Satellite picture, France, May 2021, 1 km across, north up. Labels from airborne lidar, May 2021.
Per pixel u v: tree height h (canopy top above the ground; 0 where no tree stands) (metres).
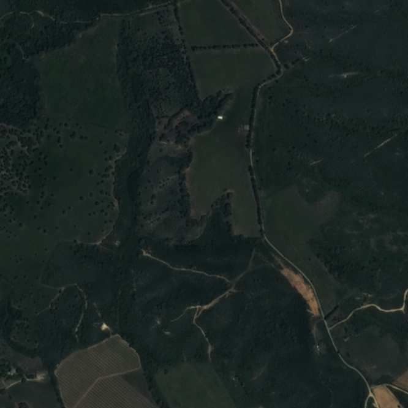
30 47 8
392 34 0
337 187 8
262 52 0
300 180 0
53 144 0
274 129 0
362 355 0
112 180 0
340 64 7
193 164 0
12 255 0
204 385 0
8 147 10
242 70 0
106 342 0
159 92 10
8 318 10
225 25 0
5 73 6
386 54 0
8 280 7
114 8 6
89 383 0
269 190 0
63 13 8
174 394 0
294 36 0
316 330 0
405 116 7
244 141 0
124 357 0
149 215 7
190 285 7
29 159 9
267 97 0
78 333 10
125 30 11
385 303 0
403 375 0
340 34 0
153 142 10
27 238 0
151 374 6
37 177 0
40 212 0
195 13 0
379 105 0
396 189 0
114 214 0
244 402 0
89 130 0
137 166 10
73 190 0
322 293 0
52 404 0
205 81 0
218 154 0
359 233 0
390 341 0
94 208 0
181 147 0
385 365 0
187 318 0
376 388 0
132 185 15
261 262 0
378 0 0
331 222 0
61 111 0
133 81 7
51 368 9
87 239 0
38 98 6
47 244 0
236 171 0
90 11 6
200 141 0
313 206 0
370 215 0
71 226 0
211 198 0
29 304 0
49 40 11
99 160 0
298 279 0
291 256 0
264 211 0
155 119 12
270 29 0
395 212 0
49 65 0
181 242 10
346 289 0
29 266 0
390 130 7
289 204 0
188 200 8
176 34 0
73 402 0
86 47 0
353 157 0
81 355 0
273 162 0
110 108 0
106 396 0
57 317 7
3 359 7
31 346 0
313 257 0
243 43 0
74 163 0
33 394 0
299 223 0
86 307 9
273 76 15
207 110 8
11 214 8
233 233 9
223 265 6
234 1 0
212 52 0
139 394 0
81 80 0
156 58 13
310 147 0
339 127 6
